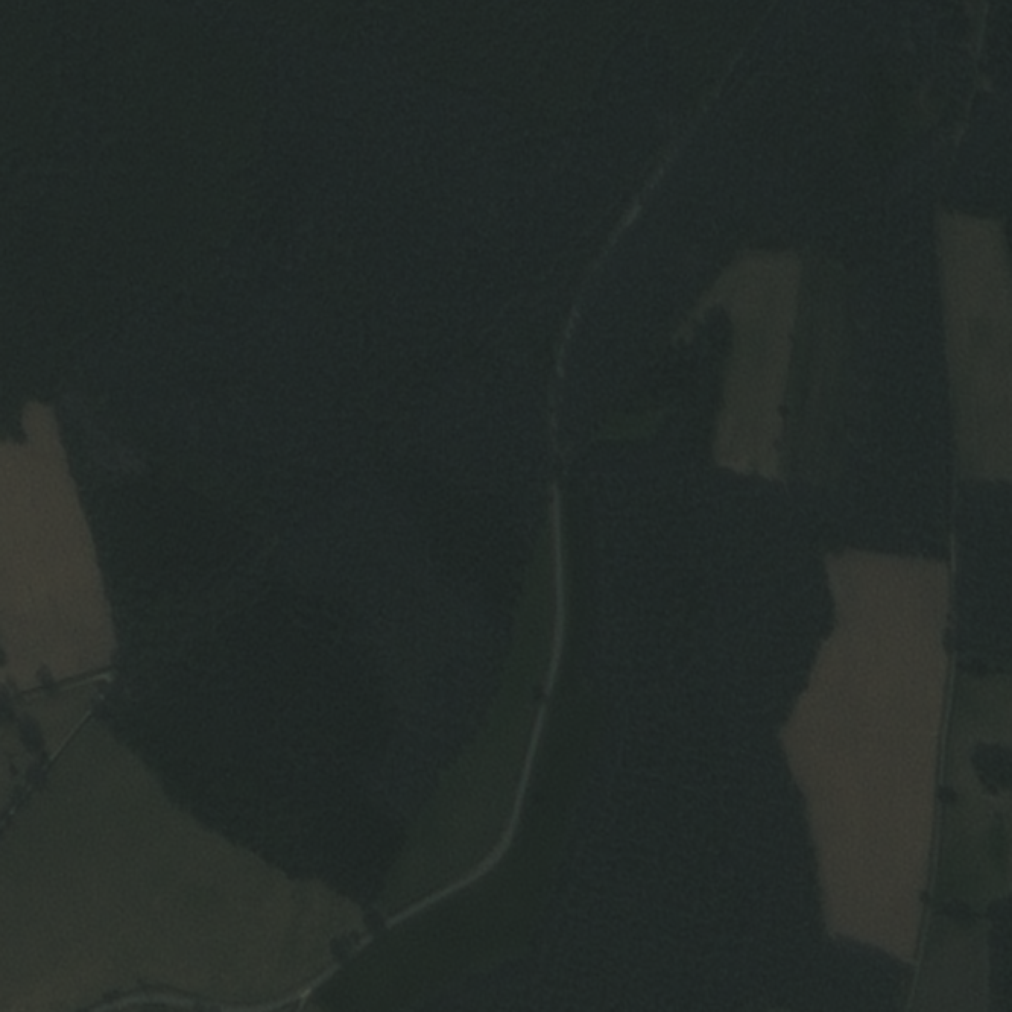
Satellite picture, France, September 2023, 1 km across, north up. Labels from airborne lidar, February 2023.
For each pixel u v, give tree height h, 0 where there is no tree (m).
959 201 27
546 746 0
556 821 0
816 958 30
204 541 14
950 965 0
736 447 0
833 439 0
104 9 21
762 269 0
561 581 0
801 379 0
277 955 0
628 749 26
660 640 26
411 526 22
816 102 16
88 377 22
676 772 25
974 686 0
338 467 21
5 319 20
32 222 24
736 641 25
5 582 0
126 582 16
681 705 19
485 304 19
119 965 0
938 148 29
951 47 18
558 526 0
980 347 0
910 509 25
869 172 19
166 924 0
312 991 0
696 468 25
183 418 23
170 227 25
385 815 9
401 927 0
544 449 32
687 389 13
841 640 0
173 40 26
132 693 14
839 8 22
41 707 0
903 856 0
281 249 19
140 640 22
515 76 18
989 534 22
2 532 0
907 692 0
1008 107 23
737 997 21
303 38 26
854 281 0
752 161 28
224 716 9
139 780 0
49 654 0
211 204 22
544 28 16
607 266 12
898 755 0
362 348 21
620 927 22
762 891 32
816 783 0
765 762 27
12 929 0
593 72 15
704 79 17
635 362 30
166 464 22
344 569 29
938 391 24
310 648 8
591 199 22
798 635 23
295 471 19
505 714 0
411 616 13
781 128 19
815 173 21
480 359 16
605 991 26
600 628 25
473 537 7
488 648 31
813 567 26
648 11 20
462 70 18
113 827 0
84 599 0
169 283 20
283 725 7
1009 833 0
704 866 24
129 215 23
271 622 8
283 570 27
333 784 11
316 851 7
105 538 12
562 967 20
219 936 0
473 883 0
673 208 23
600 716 0
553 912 16
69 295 23
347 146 30
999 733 0
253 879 0
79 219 26
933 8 19
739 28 20
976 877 0
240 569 12
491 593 7
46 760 7
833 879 0
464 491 11
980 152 21
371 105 26
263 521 24
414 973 0
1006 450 0
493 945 0
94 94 21
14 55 23
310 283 17
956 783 0
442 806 0
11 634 0
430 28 22
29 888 0
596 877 19
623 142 16
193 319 17
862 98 19
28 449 0
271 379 27
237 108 22
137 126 24
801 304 0
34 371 23
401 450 9
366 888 9
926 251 19
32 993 0
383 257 14
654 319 19
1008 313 0
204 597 16
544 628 0
